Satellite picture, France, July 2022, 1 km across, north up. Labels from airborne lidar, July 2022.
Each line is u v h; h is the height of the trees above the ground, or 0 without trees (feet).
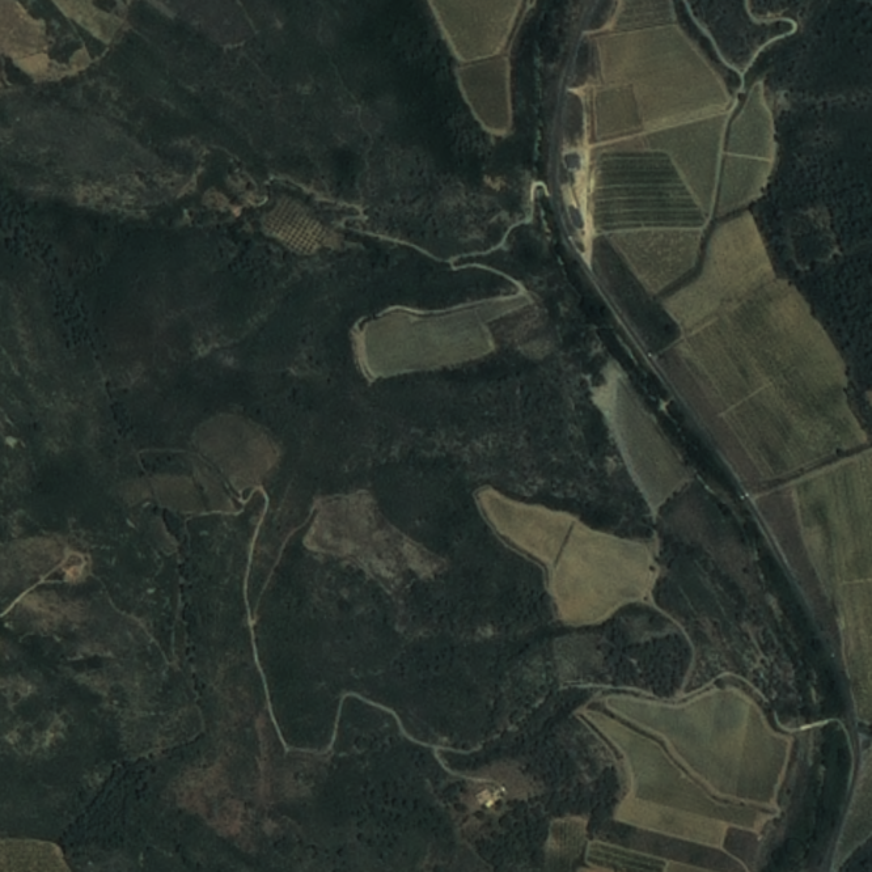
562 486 34
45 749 0
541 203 21
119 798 27
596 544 0
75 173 0
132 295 0
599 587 0
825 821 17
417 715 0
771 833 0
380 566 0
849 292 21
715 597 0
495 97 0
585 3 0
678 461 0
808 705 21
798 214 20
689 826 0
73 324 40
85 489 0
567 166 0
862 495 0
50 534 0
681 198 0
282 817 0
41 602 0
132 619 0
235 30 0
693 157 0
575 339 20
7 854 0
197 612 26
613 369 0
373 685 0
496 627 28
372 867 0
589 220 0
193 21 0
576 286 37
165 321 0
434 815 27
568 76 0
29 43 0
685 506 0
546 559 0
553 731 29
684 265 0
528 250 21
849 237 44
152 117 0
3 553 0
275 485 0
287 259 36
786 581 24
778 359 0
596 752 0
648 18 0
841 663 0
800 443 0
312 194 27
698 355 0
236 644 19
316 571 0
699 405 0
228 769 0
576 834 0
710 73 0
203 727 0
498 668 27
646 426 0
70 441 0
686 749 0
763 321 0
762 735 0
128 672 0
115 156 0
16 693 0
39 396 0
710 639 0
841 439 0
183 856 24
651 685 19
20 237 31
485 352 0
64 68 0
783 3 40
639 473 0
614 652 37
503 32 0
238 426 0
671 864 0
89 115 0
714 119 0
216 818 0
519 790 0
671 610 0
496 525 0
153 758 33
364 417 0
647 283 0
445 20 0
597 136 0
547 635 20
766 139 0
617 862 0
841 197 36
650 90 0
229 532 0
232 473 0
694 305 0
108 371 0
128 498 0
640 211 0
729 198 0
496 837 29
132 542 0
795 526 0
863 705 0
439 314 0
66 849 36
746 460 0
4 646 0
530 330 0
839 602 0
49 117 0
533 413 26
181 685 0
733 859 0
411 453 24
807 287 18
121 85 0
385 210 20
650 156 0
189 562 36
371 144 30
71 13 0
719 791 0
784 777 0
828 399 0
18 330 0
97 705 0
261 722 0
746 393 0
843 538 0
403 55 33
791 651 26
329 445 0
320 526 0
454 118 39
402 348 0
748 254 0
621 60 0
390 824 33
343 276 20
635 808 0
